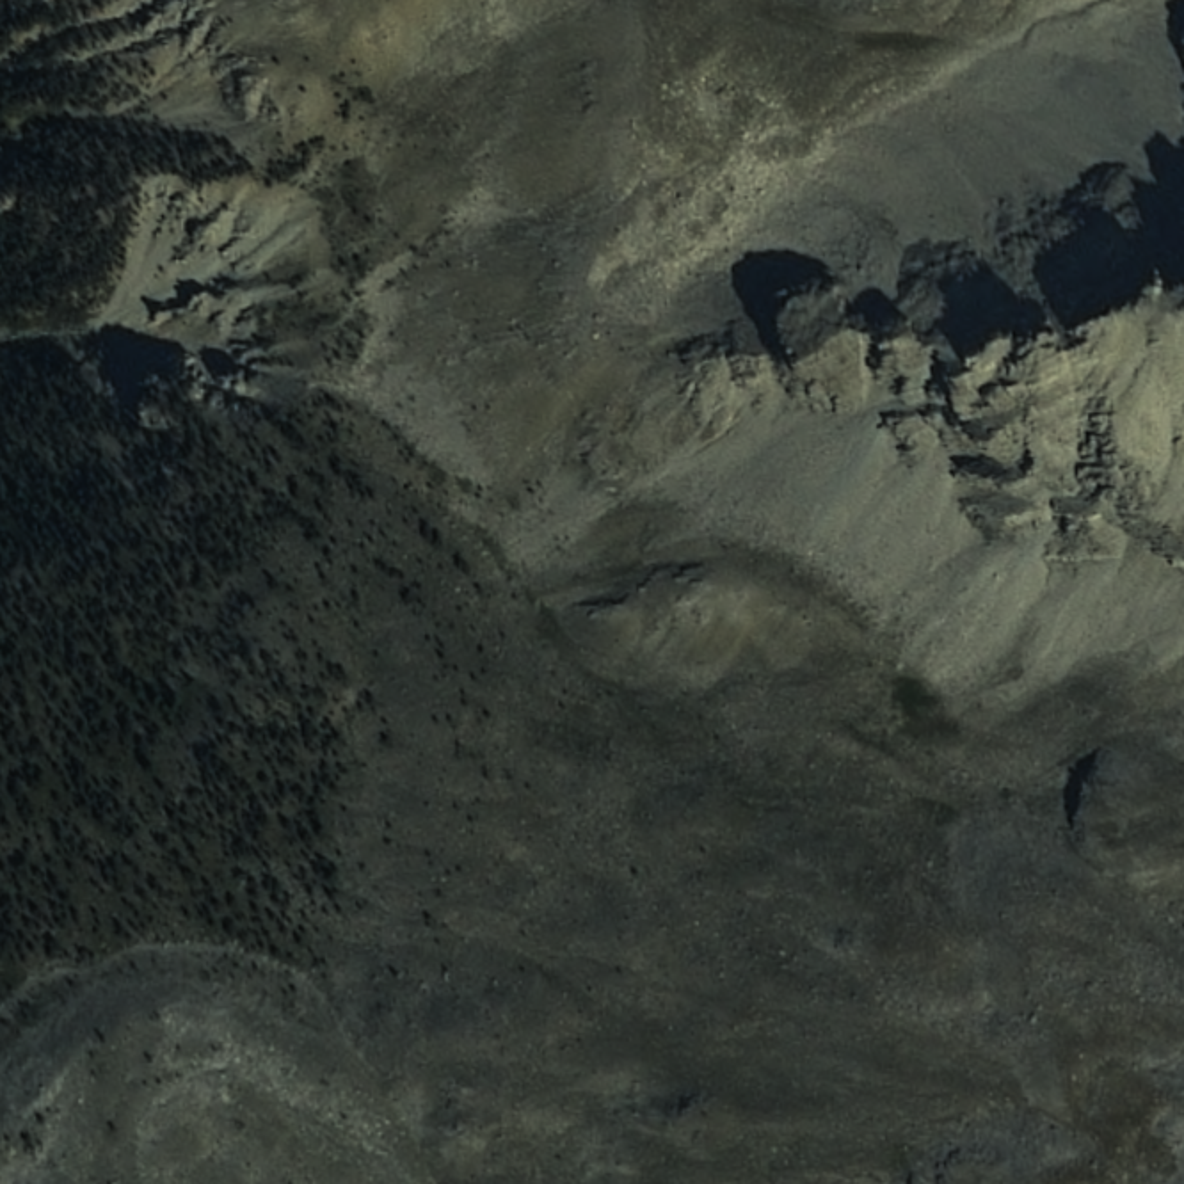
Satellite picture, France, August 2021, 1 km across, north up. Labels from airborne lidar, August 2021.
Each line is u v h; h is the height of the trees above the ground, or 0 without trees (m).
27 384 13
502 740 0
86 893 0
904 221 0
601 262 0
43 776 13
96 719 14
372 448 0
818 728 0
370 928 0
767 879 0
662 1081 0
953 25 0
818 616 0
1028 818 0
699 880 0
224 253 0
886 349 0
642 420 0
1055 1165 0
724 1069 0
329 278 0
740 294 0
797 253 0
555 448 0
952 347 0
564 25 0
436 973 0
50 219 7
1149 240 0
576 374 0
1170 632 0
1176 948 0
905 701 0
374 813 0
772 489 0
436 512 0
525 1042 0
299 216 0
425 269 0
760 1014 0
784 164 0
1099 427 0
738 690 0
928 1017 0
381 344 0
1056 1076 0
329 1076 0
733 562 0
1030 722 0
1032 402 0
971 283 0
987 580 0
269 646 0
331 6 0
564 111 0
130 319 0
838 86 0
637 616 0
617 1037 0
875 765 0
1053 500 0
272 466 10
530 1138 0
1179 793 0
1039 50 0
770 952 0
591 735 0
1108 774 0
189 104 0
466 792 0
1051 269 0
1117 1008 0
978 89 0
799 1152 0
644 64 0
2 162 12
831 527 0
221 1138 0
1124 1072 0
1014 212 0
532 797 0
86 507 7
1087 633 0
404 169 0
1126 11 0
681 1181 0
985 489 0
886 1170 0
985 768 0
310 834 9
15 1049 0
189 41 0
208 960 0
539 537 0
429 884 0
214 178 7
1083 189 0
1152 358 0
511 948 0
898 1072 0
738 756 0
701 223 0
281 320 0
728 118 0
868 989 0
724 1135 0
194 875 10
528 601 0
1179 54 0
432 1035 0
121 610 12
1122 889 0
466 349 0
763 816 0
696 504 0
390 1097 0
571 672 0
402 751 0
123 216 10
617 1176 0
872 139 0
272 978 0
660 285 0
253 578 0
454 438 0
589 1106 0
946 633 0
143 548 12
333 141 0
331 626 0
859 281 0
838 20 0
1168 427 0
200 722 0
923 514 0
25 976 0
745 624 0
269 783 13
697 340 0
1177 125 0
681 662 0
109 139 7
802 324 0
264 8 0
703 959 0
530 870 0
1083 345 0
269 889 10
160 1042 0
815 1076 0
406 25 0
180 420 8
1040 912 0
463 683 0
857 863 0
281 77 0
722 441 0
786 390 0
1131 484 0
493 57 0
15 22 6
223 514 9
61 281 10
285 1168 0
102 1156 0
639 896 0
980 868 0
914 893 0
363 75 0
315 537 8
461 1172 0
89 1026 0
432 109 0
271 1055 0
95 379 0
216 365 0
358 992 0
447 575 0
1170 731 0
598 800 0
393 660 0
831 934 0
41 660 10
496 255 0
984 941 0
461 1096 0
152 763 15
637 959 0
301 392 0
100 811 8
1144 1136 0
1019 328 0
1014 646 0
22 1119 0
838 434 0
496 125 0
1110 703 0
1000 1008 0
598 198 0
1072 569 0
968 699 0
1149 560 0
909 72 0
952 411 0
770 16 0
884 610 0
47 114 0
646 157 0
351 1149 0
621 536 0
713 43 0
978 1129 0
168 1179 0
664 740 0
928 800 0
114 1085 0
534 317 0
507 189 0
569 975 0
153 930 0
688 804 0
